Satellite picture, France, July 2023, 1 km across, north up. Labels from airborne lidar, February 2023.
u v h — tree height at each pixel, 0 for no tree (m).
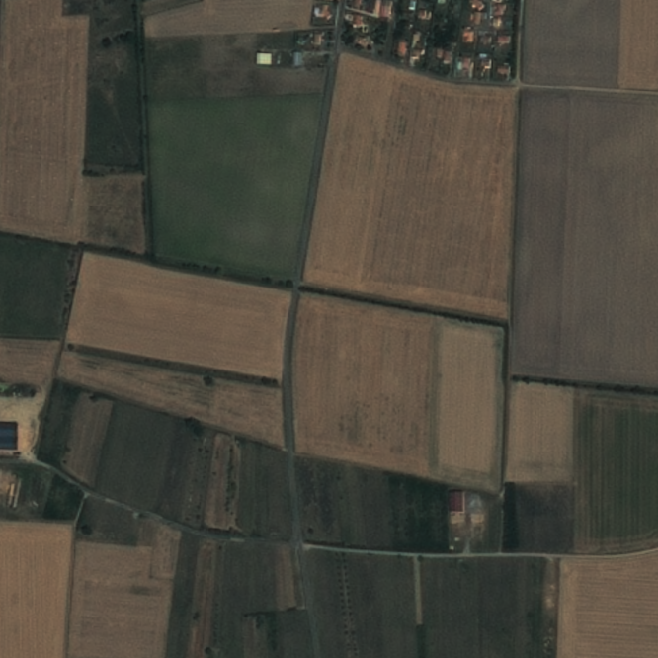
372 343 0
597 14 0
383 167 0
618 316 0
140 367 0
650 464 0
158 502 0
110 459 0
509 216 0
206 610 0
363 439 0
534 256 0
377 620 0
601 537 0
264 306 0
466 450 0
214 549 0
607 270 0
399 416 0
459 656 0
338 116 0
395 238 0
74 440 0
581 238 0
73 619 0
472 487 0
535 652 0
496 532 0
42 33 0
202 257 0
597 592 0
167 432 0
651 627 0
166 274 0
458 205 0
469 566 0
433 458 0
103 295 0
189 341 0
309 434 0
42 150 0
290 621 0
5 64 0
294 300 0
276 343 0
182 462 0
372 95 0
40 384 0
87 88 0
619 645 0
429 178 0
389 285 0
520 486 0
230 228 0
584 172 0
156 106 0
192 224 0
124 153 0
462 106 0
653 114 0
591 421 0
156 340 0
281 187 0
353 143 0
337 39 0
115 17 0
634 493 0
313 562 0
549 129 0
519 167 0
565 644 0
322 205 0
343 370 0
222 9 0
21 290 0
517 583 0
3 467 0
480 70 0
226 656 0
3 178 0
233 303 0
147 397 0
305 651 0
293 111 0
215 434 0
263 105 0
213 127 0
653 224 0
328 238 0
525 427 0
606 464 0
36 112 0
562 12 0
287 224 0
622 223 0
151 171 0
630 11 0
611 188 0
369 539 0
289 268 0
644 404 0
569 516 0
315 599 0
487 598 0
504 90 0
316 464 0
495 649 0
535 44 0
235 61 0
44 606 0
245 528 0
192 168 0
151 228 0
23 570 0
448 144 0
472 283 0
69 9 0
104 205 0
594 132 0
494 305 0
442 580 0
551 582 0
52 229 0
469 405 0
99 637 0
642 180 0
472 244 0
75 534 0
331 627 0
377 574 0
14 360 0
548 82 0
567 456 0
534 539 0
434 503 0
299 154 0
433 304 0
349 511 0
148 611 0
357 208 0
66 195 0
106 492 0
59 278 0
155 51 0
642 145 0
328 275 0
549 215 0
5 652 0
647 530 0
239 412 0
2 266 0
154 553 0
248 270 0
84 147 0
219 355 0
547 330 0
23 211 0
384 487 0
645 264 0
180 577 0
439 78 0
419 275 0
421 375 0
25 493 0
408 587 0
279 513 0
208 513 0
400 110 0
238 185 0
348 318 0
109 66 0
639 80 0
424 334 0
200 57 0
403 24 8
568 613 0
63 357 0
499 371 0
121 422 0
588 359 0
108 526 0
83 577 0
